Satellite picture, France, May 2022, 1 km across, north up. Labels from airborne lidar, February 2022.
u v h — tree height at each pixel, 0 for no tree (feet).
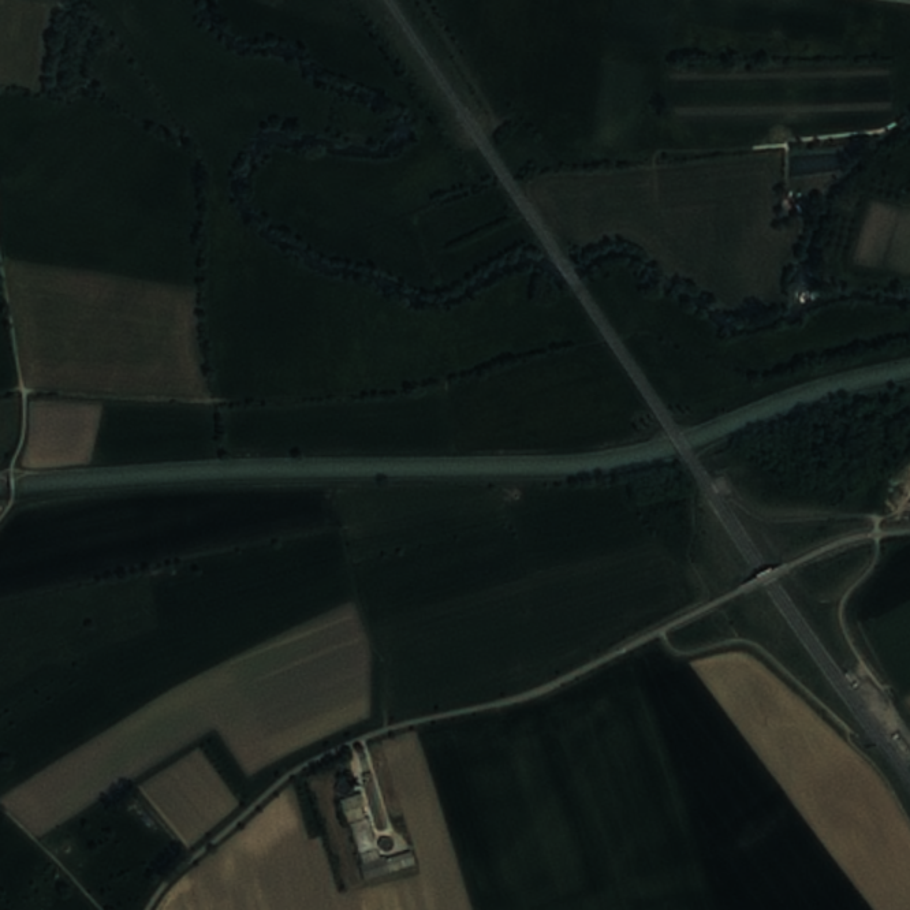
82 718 0
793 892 0
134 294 0
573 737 0
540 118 0
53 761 0
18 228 0
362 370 0
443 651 0
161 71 0
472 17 0
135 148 0
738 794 0
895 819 0
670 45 0
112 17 0
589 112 0
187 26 0
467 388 0
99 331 0
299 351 0
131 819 0
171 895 0
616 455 0
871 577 0
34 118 0
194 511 0
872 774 0
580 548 0
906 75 0
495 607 0
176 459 0
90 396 0
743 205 0
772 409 0
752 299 0
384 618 0
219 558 0
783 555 0
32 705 0
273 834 0
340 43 0
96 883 0
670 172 0
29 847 0
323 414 0
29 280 0
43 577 0
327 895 0
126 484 0
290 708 0
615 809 0
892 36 0
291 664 0
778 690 0
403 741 0
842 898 0
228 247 0
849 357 51
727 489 0
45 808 0
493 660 0
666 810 0
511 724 0
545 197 0
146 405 0
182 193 0
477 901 0
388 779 0
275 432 0
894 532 0
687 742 0
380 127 0
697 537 0
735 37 0
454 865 0
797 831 0
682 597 0
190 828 0
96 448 0
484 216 0
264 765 0
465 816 0
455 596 0
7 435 0
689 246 0
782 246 0
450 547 0
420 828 0
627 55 0
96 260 0
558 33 0
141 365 0
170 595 0
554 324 0
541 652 0
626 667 0
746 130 0
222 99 0
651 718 0
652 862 0
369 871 0
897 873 0
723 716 0
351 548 0
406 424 0
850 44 0
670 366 0
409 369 0
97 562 0
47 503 0
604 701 0
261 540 0
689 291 38
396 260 0
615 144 0
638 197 0
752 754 0
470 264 0
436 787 0
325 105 0
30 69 0
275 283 0
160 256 0
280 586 0
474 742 0
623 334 0
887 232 0
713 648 0
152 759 0
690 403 0
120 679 0
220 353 0
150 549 0
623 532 0
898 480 0
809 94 0
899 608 0
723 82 0
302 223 0
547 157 0
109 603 0
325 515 0
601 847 0
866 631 0
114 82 0
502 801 0
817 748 0
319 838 0
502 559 0
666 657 0
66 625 0
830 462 74
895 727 0
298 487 0
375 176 0
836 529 0
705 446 0
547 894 0
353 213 0
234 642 0
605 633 0
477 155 0
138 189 0
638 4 0
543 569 0
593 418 0
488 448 0
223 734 0
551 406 0
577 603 0
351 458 0
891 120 0
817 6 0
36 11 0
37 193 0
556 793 0
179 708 0
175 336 0
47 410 0
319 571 0
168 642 0
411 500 0
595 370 0
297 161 0
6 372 0
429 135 0
